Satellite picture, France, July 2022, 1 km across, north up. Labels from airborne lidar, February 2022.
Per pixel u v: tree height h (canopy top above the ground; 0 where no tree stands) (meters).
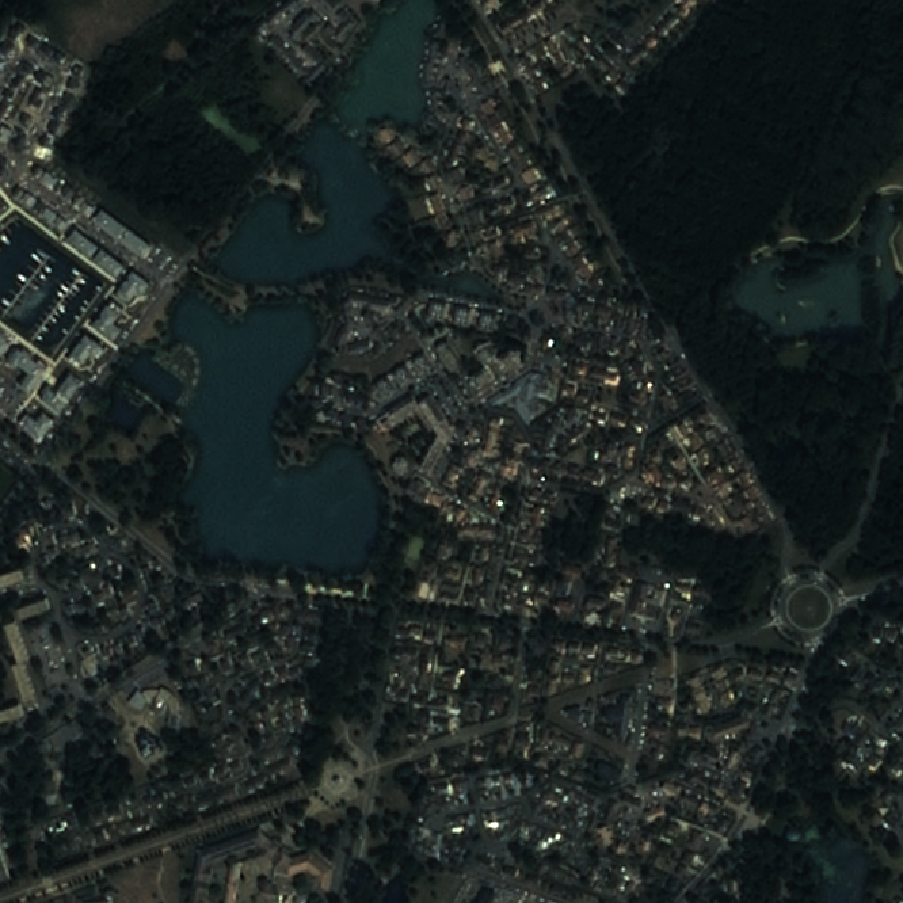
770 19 18
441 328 9
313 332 0
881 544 0
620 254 0
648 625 0
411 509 20
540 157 10
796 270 14
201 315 0
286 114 0
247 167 21
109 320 0
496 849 0
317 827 19
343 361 0
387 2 12
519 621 9
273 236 0
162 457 18
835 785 17
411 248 15
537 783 9
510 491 14
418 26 0
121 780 16
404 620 0
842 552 0
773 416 29
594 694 0
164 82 7
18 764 22
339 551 0
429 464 0
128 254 0
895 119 27
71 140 9
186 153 21
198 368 0
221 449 0
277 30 0
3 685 16
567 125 20
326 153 0
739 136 19
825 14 17
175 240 0
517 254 7
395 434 8
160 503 16
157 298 0
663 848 11
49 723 11
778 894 21
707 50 17
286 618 0
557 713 0
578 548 17
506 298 0
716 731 0
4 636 20
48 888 0
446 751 10
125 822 0
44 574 8
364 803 0
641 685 0
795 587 0
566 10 0
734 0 12
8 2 17
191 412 0
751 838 15
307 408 17
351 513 0
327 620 19
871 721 0
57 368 0
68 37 0
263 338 0
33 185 0
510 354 0
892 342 19
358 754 0
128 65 10
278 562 0
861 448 29
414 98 0
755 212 18
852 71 17
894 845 26
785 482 32
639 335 6
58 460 18
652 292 16
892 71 7
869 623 14
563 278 7
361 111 0
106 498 12
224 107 10
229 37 24
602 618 6
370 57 0
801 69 17
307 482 0
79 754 21
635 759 0
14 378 0
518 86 13
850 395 32
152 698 0
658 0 19
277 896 0
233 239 0
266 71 0
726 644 0
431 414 0
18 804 17
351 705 21
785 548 0
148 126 14
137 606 0
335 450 0
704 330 29
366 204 0
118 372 11
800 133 19
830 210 14
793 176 18
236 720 11
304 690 15
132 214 0
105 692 0
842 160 6
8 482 0
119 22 0
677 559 23
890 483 8
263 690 11
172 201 20
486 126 0
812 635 0
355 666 20
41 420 0
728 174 15
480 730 0
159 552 0
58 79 0
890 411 11
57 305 0
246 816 0
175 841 0
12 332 0
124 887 0
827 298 0
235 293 0
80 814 20
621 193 12
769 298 0
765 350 30
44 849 13
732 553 18
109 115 21
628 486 0
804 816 0
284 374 0
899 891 0
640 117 14
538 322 12
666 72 15
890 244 0
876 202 17
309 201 14
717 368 27
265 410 0
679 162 16
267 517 0
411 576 14
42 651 0
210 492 0
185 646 0
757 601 0
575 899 13
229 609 16
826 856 0
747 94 21
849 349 33
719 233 20
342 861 0
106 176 16
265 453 0
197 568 17
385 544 15
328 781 0
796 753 17
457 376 9
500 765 7
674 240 12
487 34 0
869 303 12
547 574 19
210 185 17
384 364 0
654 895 13
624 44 0
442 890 0
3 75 0
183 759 16
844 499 36
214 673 13
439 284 0
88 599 12
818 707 16
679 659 0
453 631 10
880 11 9
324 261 0
